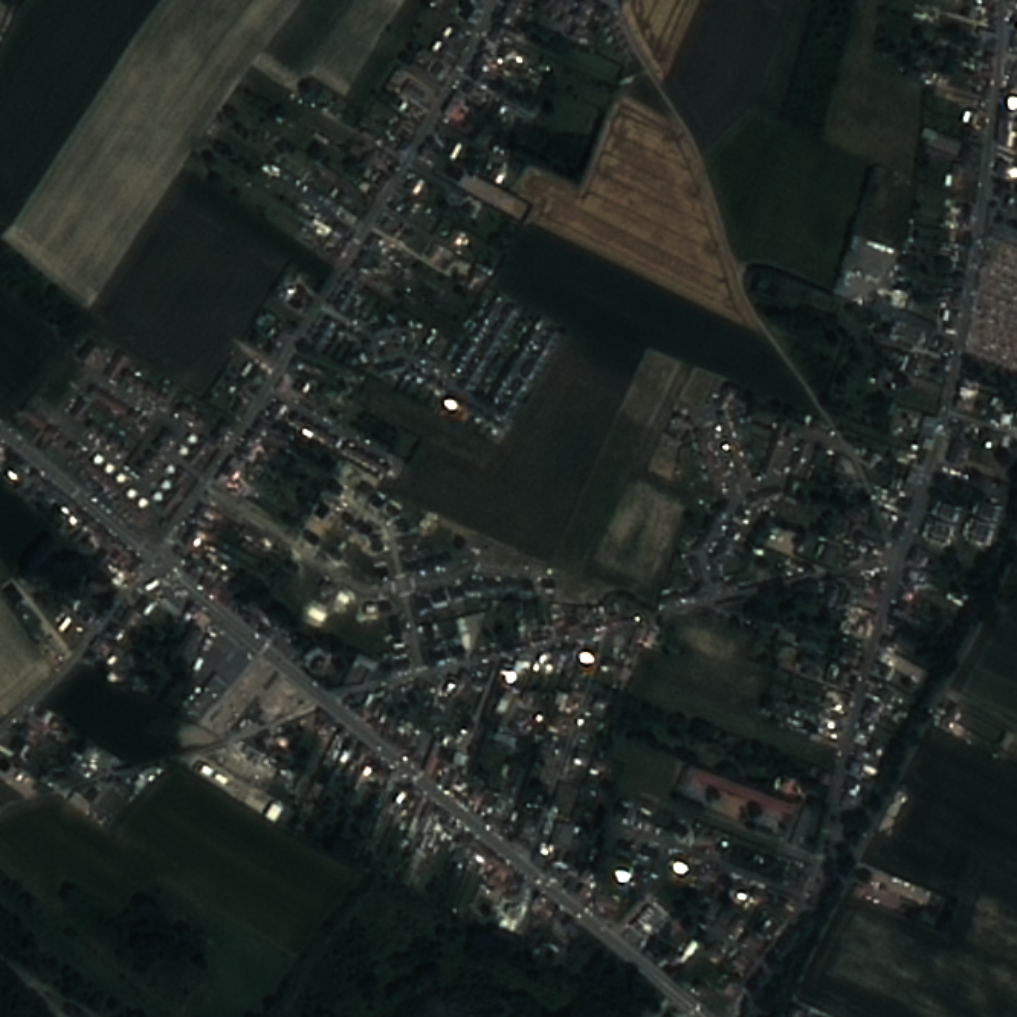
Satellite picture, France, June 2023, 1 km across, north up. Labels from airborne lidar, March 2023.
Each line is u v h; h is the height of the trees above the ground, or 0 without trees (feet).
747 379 0
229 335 0
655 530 0
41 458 0
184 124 0
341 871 0
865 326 0
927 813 0
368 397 0
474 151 23
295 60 0
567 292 0
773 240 0
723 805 0
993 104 0
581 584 0
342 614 0
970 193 0
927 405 0
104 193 0
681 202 0
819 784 37
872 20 0
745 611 25
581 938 20
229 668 0
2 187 0
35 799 0
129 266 0
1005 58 0
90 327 0
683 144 0
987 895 0
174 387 0
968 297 0
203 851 0
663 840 0
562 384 0
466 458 0
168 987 0
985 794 0
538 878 0
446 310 0
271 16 0
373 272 0
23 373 0
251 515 0
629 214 0
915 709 33
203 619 0
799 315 39
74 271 0
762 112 0
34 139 0
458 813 0
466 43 0
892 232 0
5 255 23
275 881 0
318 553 0
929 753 0
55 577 51
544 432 0
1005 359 0
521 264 0
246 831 0
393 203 18
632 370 0
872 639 0
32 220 0
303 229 0
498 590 0
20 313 0
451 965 0
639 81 0
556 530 0
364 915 0
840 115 0
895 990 0
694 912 0
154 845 0
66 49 0
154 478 0
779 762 41
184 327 0
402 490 0
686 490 0
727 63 0
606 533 0
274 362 0
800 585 24
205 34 0
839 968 0
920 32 31
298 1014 0
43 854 0
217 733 0
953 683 0
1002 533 21
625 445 0
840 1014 0
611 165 0
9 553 0
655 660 0
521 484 0
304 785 0
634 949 0
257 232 0
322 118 0
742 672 0
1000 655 0
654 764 0
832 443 0
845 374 43
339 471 0
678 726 26
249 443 0
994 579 28
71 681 0
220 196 0
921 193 0
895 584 0
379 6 0
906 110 0
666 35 0
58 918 0
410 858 24
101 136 0
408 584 0
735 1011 0
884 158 0
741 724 0
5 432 0
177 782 0
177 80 0
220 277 0
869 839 0
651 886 0
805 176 0
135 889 0
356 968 25
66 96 0
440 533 0
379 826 0
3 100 0
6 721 0
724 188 0
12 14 0
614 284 0
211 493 0
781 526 20
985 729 0
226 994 0
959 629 35
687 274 0
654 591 0
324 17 0
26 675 0
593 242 0
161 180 0
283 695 0
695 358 0
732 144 0
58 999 0
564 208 0
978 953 0
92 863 0
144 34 0
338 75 0
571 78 0
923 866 0
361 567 0
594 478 0
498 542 0
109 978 0
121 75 0
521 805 22
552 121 0
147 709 0
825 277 0
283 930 0
